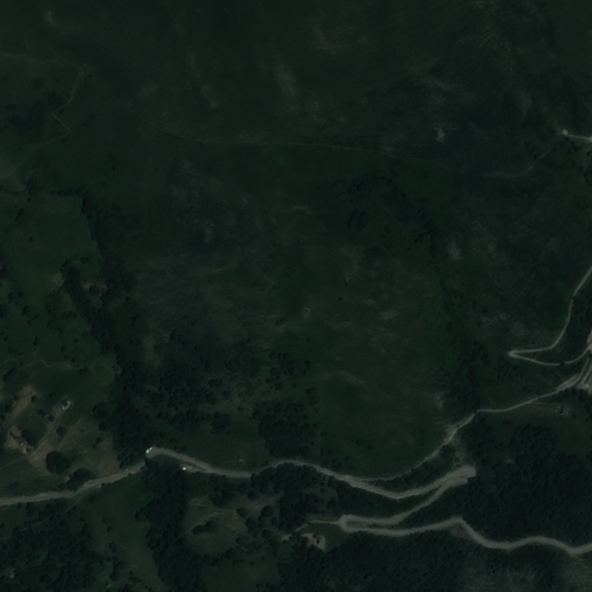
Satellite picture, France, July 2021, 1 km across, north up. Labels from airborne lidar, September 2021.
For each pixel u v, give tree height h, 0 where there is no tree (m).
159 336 0
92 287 13
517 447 18
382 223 0
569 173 0
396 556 10
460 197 0
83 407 0
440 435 0
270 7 0
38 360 0
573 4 0
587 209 0
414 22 0
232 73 0
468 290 0
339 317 0
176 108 0
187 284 0
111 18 0
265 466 9
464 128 0
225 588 0
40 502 0
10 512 0
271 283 0
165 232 0
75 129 0
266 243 0
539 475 21
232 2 0
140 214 0
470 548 11
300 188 0
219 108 0
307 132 0
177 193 0
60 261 0
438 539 17
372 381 0
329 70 0
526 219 0
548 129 0
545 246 0
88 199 16
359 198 0
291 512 20
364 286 0
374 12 0
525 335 0
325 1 0
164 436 17
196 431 6
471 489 24
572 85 0
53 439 0
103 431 21
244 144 0
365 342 0
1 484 0
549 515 11
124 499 0
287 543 13
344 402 0
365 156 0
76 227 0
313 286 0
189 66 0
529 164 0
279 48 0
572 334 8
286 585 16
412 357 0
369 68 0
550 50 0
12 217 0
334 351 0
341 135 0
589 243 0
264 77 0
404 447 0
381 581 10
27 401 0
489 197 0
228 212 0
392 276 0
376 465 0
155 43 0
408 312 0
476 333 0
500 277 0
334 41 0
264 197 0
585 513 7
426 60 0
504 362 8
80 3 0
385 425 0
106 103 0
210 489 0
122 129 0
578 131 0
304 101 0
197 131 0
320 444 0
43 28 0
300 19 0
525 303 0
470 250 0
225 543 0
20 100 0
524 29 0
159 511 27
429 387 0
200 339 0
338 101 0
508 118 0
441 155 0
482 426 17
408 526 12
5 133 0
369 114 0
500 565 15
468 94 0
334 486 18
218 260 0
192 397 23
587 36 0
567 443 0
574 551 0
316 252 0
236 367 22
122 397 9
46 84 0
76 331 0
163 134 0
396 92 0
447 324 0
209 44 0
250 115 0
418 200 0
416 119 0
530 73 0
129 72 0
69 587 18
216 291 0
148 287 0
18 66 0
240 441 0
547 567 18
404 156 0
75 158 0
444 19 0
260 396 0
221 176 0
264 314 0
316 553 26
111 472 0
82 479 26
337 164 0
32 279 0
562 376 0
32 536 18
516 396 0
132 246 0
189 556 12
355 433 0
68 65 0
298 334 0
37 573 12
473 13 0
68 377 0
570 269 0
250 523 19
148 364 0
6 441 13
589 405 13
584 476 25
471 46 0
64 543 15
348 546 11
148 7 0
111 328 13
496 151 0
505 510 13
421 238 19
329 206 0
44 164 0
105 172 0
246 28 0
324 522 0
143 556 0
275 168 0
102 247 13
